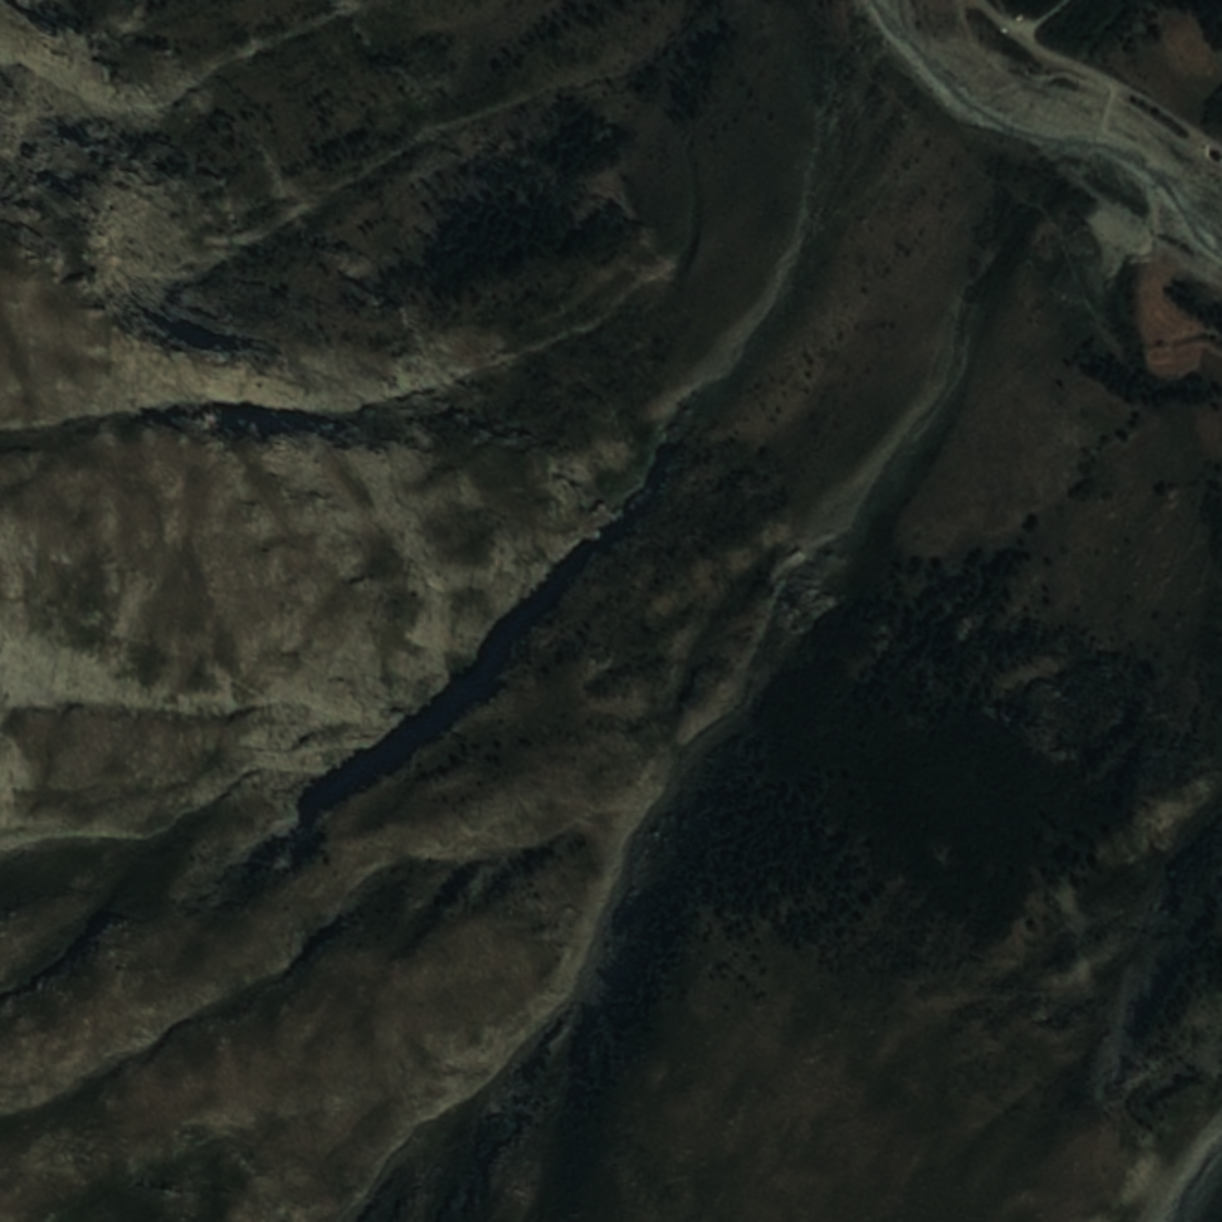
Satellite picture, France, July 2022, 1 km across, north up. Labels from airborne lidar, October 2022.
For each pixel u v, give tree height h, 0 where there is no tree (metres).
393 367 0
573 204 8
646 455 0
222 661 0
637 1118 0
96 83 0
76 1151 0
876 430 0
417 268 20
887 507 0
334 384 0
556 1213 0
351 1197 0
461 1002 0
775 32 0
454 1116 0
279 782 0
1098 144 0
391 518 0
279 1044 0
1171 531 0
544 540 0
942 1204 0
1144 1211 0
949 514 0
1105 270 0
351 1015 0
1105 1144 0
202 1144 0
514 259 20
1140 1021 6
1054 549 0
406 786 0
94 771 0
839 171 0
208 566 0
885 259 0
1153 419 0
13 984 0
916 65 0
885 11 0
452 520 0
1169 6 13
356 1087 0
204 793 0
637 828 0
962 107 0
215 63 0
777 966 0
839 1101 0
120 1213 0
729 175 0
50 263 0
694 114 16
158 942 0
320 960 0
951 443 0
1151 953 0
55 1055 0
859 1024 0
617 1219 0
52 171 0
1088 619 0
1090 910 0
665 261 0
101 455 0
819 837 19
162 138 7
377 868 0
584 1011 0
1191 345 0
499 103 0
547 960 0
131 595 0
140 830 0
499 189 14
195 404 0
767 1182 0
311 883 0
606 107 0
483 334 0
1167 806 0
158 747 0
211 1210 0
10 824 0
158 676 0
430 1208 0
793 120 0
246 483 0
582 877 0
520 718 0
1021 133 0
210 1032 0
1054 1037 0
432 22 0
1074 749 6
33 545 0
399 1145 0
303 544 0
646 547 6
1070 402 0
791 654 0
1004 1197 0
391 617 0
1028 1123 0
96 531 0
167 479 0
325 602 0
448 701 0
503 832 0
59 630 0
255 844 0
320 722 0
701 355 0
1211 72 0
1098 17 8
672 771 0
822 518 0
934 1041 0
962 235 0
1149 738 6
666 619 0
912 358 0
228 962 0
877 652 9
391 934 0
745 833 10
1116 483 0
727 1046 0
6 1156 0
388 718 0
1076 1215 0
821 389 0
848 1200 0
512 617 0
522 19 0
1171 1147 0
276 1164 0
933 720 8
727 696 0
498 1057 0
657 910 7
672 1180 0
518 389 0
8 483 0
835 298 0
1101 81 0
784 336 0
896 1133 0
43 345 0
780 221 0
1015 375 0
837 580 0
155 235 0
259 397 0
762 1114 0
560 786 0
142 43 11
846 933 8
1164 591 0
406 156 10
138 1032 0
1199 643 0
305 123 0
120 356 0
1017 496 0
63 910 0
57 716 0
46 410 0
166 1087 0
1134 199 0
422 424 8
